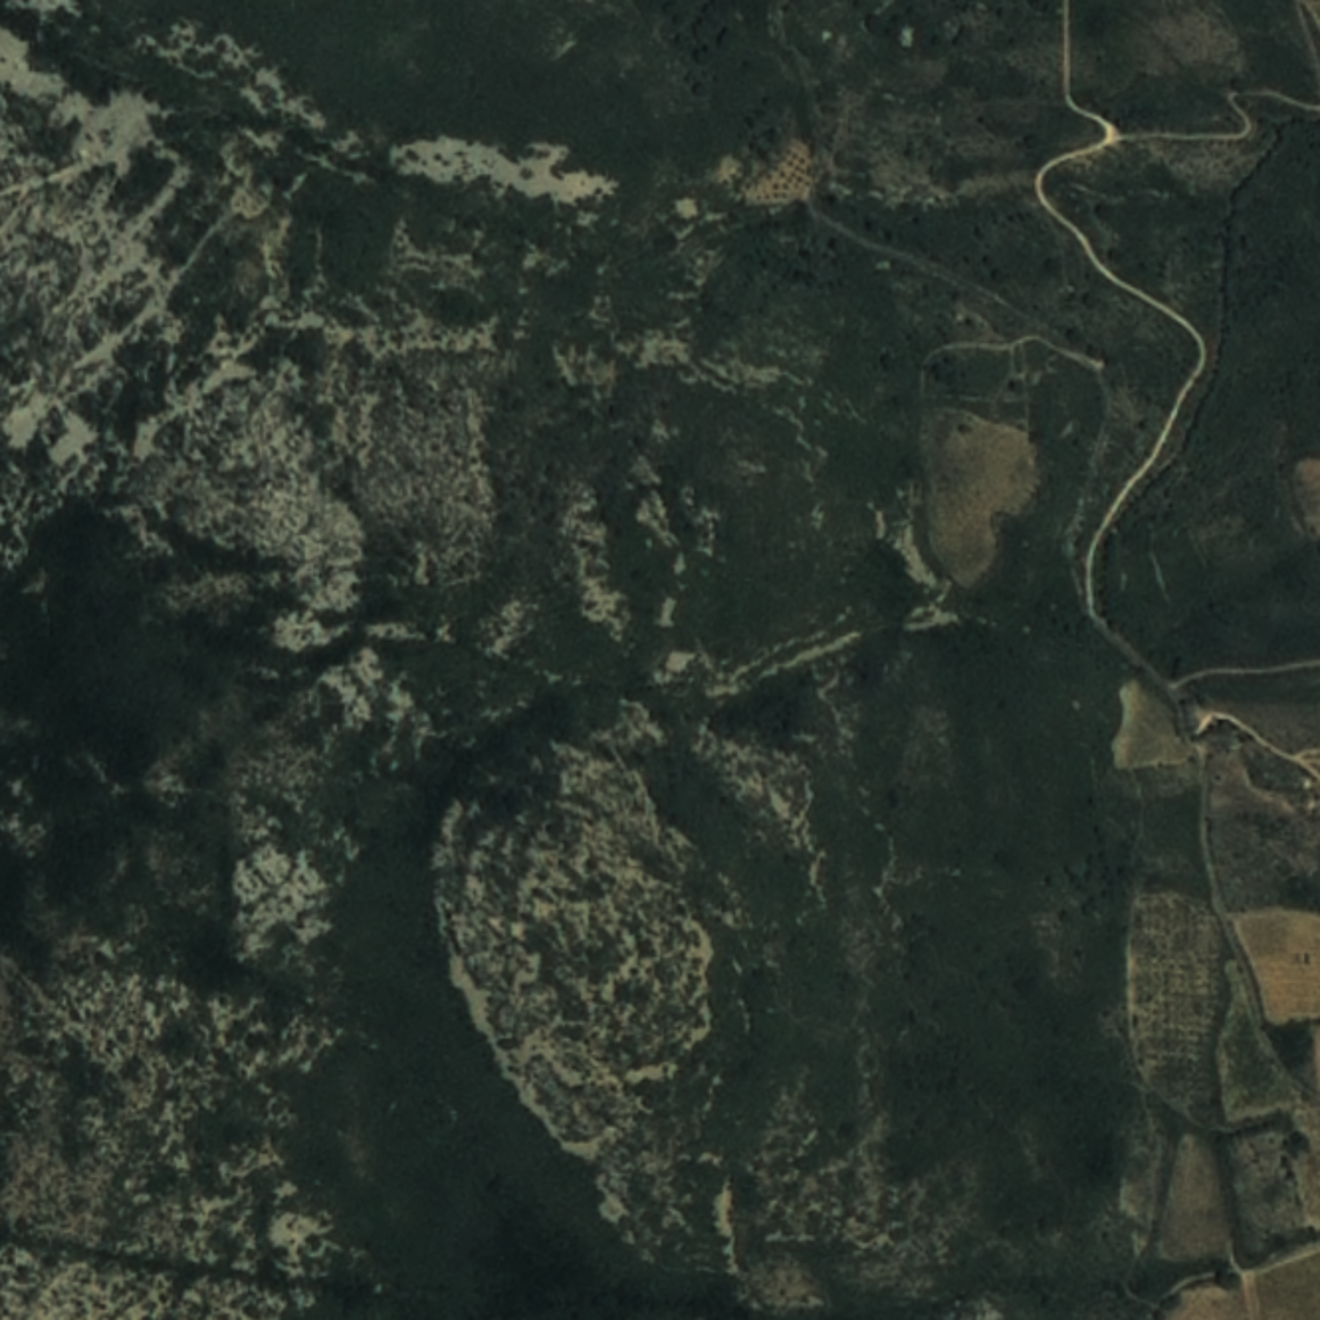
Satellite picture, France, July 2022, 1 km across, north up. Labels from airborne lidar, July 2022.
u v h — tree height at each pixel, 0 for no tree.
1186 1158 0
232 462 0
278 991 7
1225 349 6
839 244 14
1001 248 0
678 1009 0
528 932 0
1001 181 0
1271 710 0
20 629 6
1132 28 0
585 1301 6
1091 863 9
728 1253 0
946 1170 0
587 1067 0
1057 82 0
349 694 0
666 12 10
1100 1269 0
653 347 0
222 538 0
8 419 0
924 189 0
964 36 11
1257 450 7
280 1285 8
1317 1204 0
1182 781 0
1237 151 0
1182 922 0
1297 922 0
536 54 0
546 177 0
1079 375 0
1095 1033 0
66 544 6
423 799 7
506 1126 0
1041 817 0
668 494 6
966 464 0
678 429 0
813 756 0
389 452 0
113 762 7
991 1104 0
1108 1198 0
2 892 7
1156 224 0
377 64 0
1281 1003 0
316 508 0
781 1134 0
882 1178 0
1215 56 0
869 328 0
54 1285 0
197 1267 7
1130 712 0
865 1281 0
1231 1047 0
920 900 0
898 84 0
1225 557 0
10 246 0
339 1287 7
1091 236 0
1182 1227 0
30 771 6
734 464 0
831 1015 0
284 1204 5
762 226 6
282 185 10
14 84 0
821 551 0
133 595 6
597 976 0
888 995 0
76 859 6
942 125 0
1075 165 0
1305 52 0
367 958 0
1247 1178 0
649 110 0
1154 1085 0
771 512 0
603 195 0
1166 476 11
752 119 9
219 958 8
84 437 0
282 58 0
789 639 0
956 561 0
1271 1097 0
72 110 0
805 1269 0
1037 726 0
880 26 12
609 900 0
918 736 0
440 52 0
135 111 0
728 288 0
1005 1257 0
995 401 0
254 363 7
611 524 8
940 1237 0
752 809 0
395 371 8
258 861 0
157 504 0
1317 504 0
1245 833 0
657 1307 7
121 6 0
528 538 0
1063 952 0
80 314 0
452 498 0
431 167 0
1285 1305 0
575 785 0
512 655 6
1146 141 0
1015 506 0
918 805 0
